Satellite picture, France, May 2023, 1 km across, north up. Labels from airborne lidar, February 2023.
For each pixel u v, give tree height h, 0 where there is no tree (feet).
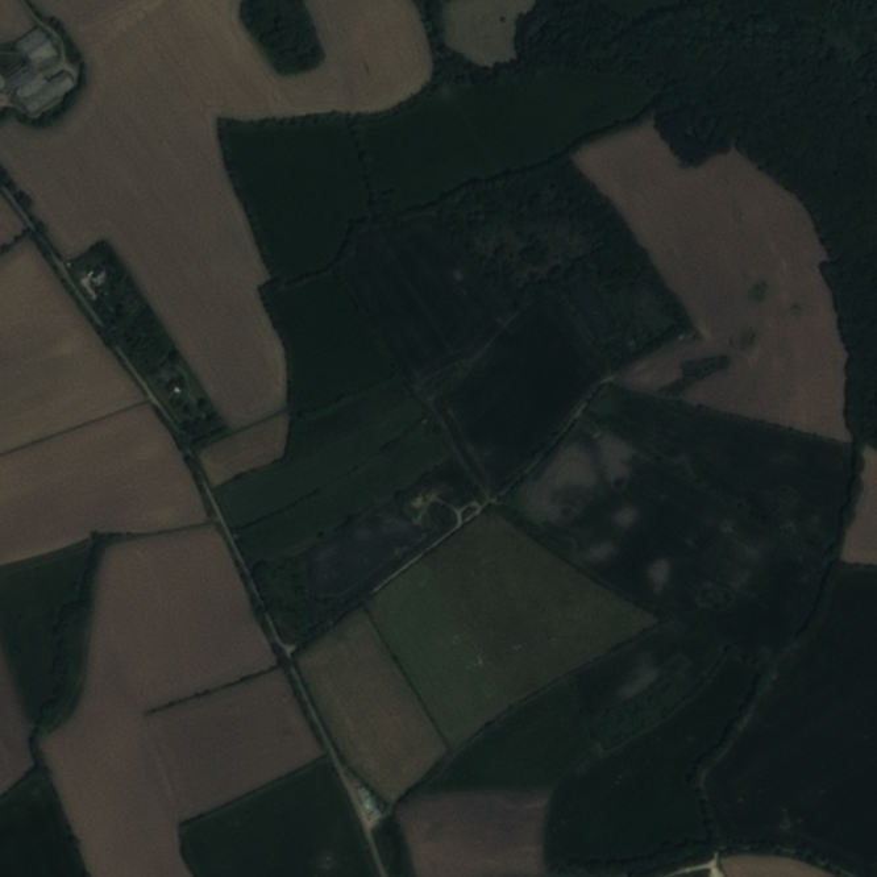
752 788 0
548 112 0
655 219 0
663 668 0
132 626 0
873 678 0
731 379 0
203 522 0
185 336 0
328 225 0
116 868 0
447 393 0
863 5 27
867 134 73
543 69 54
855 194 64
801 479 0
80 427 0
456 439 0
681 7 26
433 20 62
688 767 0
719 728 0
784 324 0
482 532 0
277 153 0
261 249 24
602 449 0
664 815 0
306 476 0
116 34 0
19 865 0
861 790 0
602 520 0
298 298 0
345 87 0
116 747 0
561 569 0
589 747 0
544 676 0
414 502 0
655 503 0
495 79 57
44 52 0
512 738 0
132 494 0
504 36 0
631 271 32
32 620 0
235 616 0
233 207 0
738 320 0
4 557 0
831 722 0
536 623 0
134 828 0
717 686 0
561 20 57
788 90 66
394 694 0
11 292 0
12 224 0
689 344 0
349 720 0
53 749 0
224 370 0
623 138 0
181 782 0
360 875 0
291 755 0
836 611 0
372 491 0
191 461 35
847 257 52
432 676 0
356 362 0
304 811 0
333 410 0
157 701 0
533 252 39
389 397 0
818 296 0
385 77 0
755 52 84
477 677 0
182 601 0
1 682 0
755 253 0
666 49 55
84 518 0
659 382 0
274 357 0
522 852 0
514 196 40
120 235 0
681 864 21
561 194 23
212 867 0
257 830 0
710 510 0
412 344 0
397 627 0
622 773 0
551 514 0
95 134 0
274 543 0
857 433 45
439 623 0
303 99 0
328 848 0
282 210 0
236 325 0
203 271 0
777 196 0
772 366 0
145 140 0
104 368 0
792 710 0
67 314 0
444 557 0
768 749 0
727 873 0
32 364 0
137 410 0
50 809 0
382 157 0
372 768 0
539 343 0
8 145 0
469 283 0
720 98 58
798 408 0
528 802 0
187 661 0
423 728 0
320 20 0
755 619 0
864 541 0
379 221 48
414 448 0
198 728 0
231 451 0
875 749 0
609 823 0
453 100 0
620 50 50
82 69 27
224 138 25
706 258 0
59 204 0
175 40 0
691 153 78
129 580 0
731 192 0
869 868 0
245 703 0
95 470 0
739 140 54
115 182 0
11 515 0
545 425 0
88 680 0
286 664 42
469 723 0
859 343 51
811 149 65
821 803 0
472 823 0
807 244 0
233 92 0
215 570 0
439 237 0
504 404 0
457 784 0
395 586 0
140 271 0
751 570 0
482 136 0
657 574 0
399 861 0
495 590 0
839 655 0
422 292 0
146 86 0
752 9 58
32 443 0
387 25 0
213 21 0
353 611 24
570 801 0
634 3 0
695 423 0
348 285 23
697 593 0
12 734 0
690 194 0
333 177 0
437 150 0
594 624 0
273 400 0
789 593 0
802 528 0
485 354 0
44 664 0
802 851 32
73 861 0
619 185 0
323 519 0
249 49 0
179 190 0
